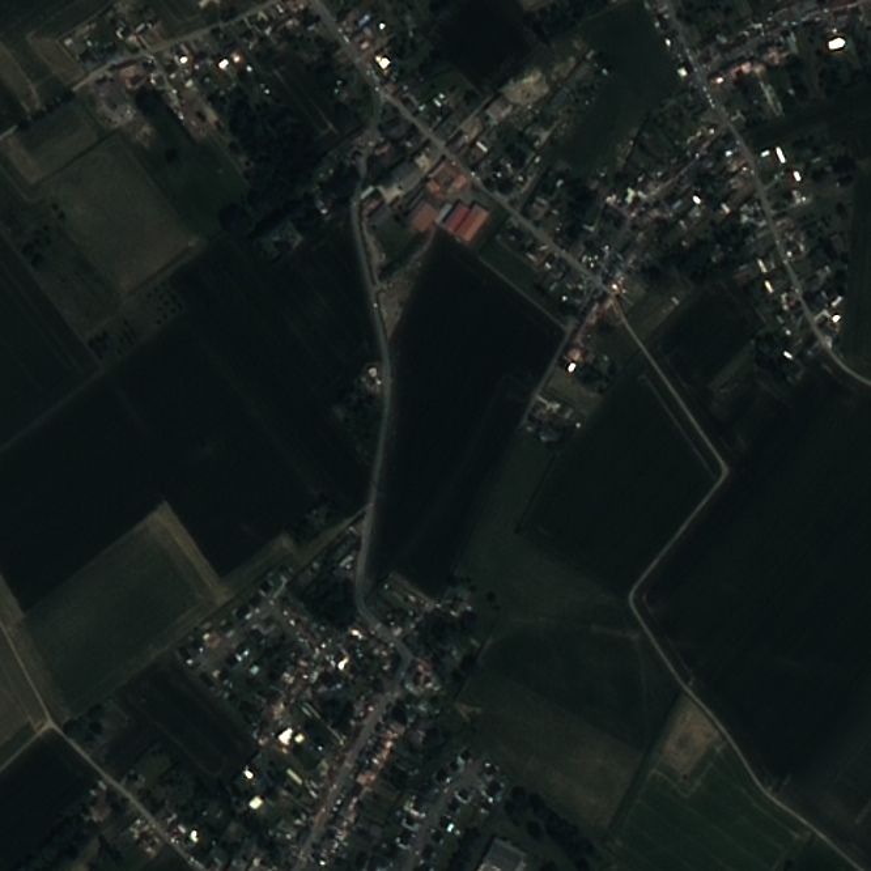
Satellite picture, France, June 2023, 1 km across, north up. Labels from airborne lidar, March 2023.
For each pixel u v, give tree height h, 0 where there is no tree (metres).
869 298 0
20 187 0
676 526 0
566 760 0
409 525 0
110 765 0
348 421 6
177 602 0
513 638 0
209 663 0
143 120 0
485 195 0
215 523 0
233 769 0
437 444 0
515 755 0
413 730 0
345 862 9
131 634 0
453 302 0
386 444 0
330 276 0
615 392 0
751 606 0
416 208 0
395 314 0
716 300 0
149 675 0
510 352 0
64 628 0
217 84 0
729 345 0
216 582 0
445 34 0
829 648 0
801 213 0
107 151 0
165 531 0
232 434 0
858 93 0
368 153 0
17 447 0
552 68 0
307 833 0
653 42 0
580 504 0
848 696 0
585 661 0
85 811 13
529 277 0
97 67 0
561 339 0
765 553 0
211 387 0
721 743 0
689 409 0
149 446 0
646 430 0
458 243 0
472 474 0
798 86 15
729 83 0
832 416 0
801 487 0
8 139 0
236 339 0
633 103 0
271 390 0
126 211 0
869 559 0
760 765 0
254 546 0
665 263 10
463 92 0
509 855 0
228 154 0
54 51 0
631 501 0
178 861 0
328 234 0
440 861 0
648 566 0
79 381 0
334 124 0
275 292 0
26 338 0
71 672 0
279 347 0
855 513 0
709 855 0
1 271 0
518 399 0
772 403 0
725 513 0
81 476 0
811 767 0
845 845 0
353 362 0
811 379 0
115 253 0
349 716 10
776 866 0
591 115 0
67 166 0
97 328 0
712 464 0
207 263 0
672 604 0
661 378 0
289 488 0
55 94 0
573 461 0
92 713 8
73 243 0
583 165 0
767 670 0
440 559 0
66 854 15
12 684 0
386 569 0
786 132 0
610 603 0
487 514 0
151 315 0
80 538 0
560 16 7
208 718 0
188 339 0
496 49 0
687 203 0
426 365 0
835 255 14
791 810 0
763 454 0
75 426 0
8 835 0
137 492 0
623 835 0
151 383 0
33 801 0
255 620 0
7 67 0
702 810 0
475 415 0
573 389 0
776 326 0
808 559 0
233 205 0
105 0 0
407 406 0
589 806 0
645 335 0
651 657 0
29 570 0
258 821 13
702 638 0
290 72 0
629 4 0
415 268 0
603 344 0
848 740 0
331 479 0
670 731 0
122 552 0
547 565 0
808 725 0
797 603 0
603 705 0
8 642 0
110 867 0
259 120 15
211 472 0
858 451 0
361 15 0
